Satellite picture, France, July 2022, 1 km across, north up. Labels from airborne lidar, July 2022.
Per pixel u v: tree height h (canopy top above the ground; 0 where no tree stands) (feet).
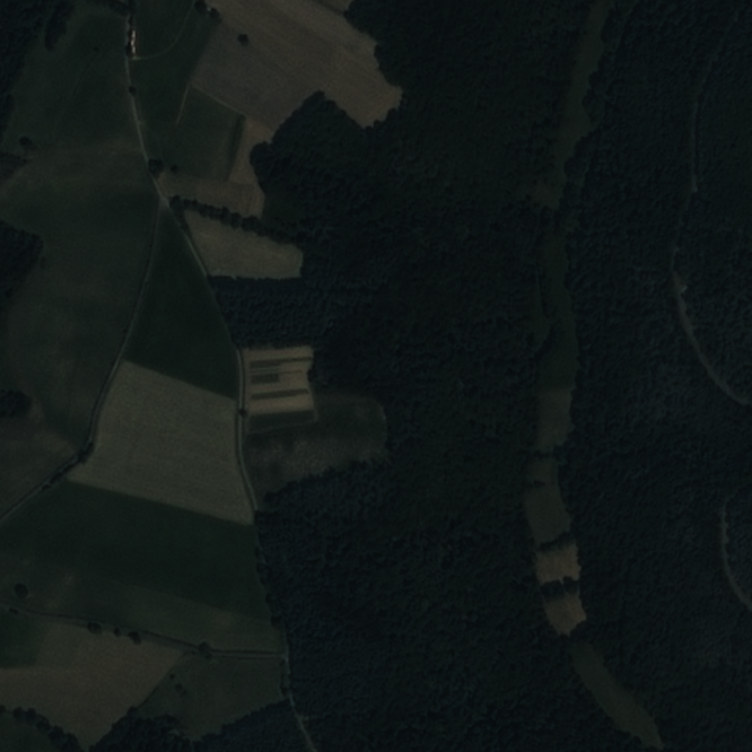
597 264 52
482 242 71
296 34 0
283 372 0
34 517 0
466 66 70
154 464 0
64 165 0
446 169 47
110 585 0
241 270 0
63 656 0
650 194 62
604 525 57
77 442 0
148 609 0
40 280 0
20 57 35
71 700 0
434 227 74
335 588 102
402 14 86
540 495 0
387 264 51
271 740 71
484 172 62
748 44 58
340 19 0
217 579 0
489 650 73
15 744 0
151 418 0
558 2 35
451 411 61
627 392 53
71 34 0
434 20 74
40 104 0
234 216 25
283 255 0
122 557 0
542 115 73
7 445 0
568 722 88
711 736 38
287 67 0
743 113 48
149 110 0
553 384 0
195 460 0
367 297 70
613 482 45
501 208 95
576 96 0
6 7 77
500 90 68
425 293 76
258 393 0
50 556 0
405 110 55
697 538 45
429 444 76
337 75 0
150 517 0
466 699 26
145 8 0
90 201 0
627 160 76
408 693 83
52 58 0
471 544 92
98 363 0
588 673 0
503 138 54
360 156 65
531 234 70
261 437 0
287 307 82
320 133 70
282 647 0
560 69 75
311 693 71
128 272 0
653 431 58
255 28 0
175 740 42
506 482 64
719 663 44
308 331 75
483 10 67
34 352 0
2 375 0
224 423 0
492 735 106
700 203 55
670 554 31
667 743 77
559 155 0
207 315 0
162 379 0
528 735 88
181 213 40
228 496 0
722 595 53
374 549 74
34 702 0
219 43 0
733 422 57
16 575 0
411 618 77
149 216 0
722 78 58
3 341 0
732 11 74
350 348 90
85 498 0
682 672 44
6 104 69
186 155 0
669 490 41
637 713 0
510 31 67
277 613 38
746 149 48
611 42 70
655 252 67
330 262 67
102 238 0
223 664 0
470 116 66
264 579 59
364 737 25
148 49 0
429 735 102
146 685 0
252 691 0
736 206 72
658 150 58
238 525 0
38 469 0
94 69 0
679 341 32
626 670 63
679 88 50
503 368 90
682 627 29
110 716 0
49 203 0
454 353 71
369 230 88
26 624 0
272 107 0
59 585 0
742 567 63
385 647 61
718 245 63
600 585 73
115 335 0
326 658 74
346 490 50
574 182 64
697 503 45
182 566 0
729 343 52
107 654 0
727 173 62
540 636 61
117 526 0
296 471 0
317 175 84
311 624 72
